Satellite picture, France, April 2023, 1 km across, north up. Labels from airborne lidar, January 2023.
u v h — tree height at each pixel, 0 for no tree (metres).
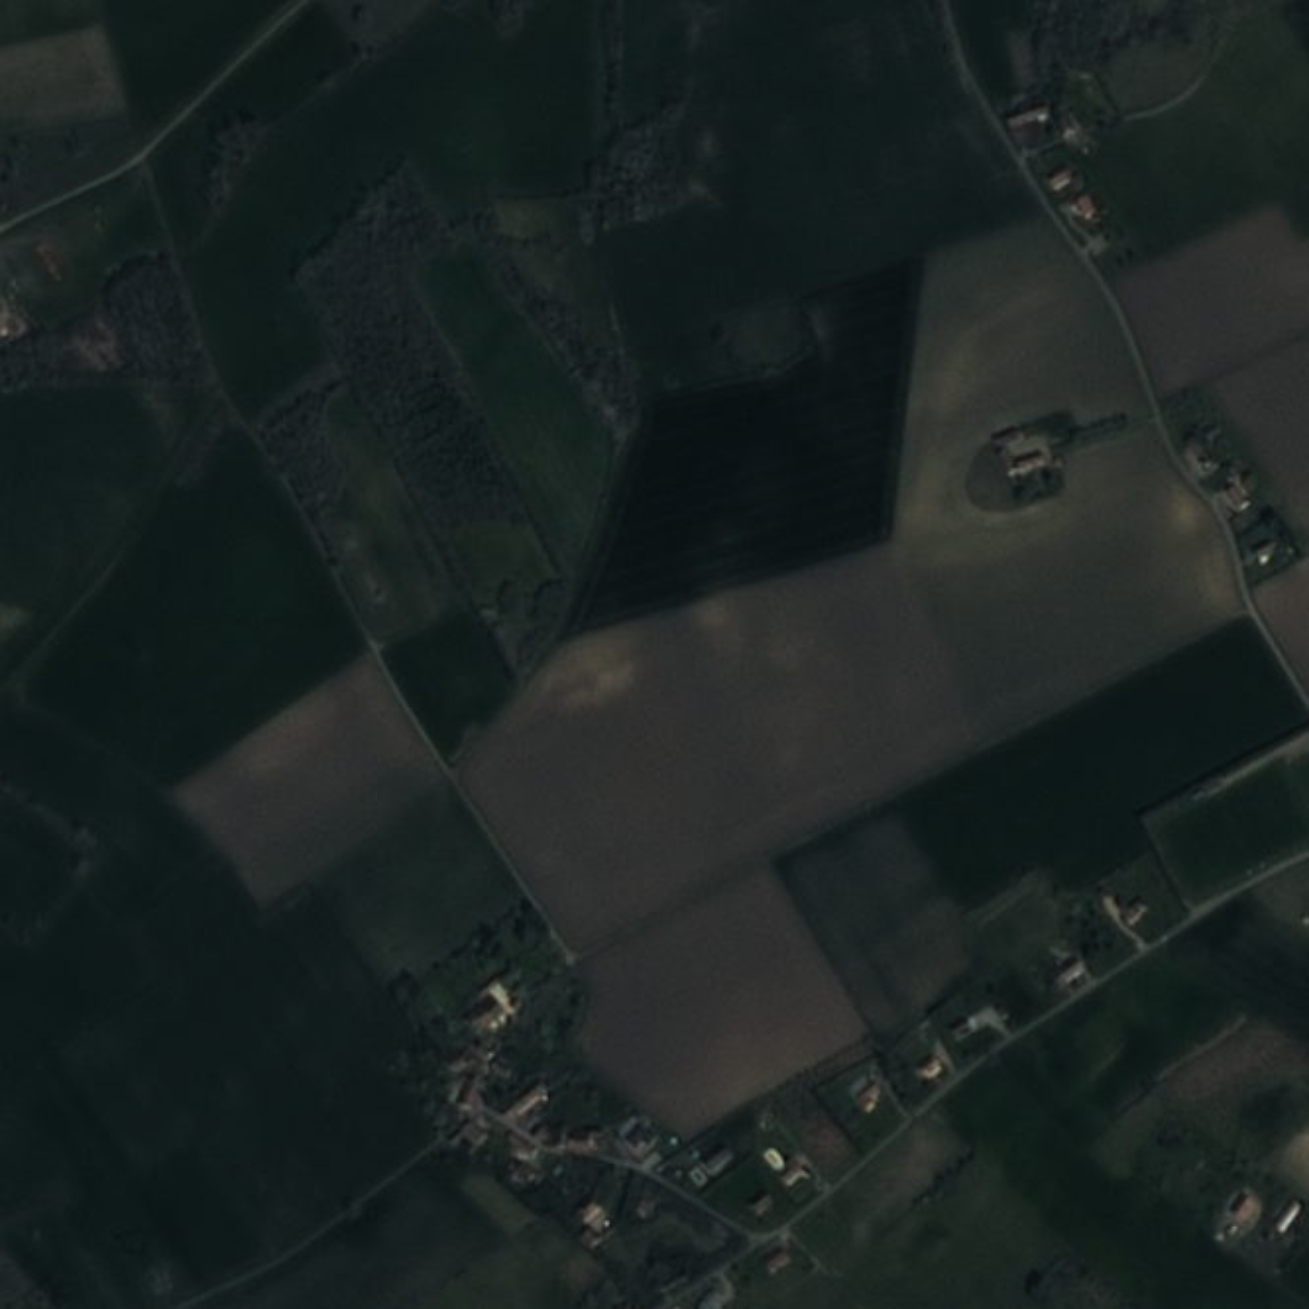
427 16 0
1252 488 10
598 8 0
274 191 0
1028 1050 0
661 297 0
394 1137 0
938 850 0
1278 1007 0
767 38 0
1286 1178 0
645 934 0
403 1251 0
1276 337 0
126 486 0
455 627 0
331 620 0
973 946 0
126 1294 0
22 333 0
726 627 0
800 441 0
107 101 0
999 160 0
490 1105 12
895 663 0
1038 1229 0
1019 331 0
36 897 0
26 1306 0
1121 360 0
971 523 0
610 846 0
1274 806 0
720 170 0
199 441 0
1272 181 0
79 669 0
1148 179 0
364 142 0
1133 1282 0
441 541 8
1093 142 0
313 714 0
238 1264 0
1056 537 0
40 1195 0
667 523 0
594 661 0
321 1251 0
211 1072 0
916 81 0
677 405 0
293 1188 0
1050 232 0
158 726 0
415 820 0
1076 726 0
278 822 0
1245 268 0
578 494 0
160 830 0
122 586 0
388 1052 0
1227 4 0
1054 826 0
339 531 0
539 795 0
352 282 9
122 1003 0
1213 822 0
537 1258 0
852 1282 0
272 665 0
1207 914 0
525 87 0
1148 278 0
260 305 0
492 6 8
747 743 0
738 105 0
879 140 0
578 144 0
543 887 0
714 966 0
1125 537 0
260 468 0
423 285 0
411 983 13
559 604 7
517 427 0
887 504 0
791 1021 0
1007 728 0
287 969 0
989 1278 0
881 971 0
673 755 0
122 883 0
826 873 0
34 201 0
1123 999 0
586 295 0
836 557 0
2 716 0
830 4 0
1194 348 0
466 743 0
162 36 0
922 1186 0
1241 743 0
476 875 0
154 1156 0
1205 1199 0
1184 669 0
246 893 0
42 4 0
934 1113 0
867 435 0
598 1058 0
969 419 0
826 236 0
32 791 0
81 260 0
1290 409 0
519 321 0
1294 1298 0
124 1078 0
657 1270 13
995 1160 0
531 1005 6
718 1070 0
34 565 0
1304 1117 0
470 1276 0
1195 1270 0
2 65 0
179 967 0
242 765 0
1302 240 0
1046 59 15
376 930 0
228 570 0
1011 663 0
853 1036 0
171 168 0
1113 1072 0
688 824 0
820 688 0
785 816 0
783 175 0
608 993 0
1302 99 0
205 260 0
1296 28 0
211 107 0
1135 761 0
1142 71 0
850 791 0
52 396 0
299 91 0
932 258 0
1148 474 0
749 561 0
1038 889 0
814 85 0
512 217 0
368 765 0
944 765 0
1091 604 0
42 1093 0
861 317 0
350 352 7
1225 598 0
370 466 0
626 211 11
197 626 0
